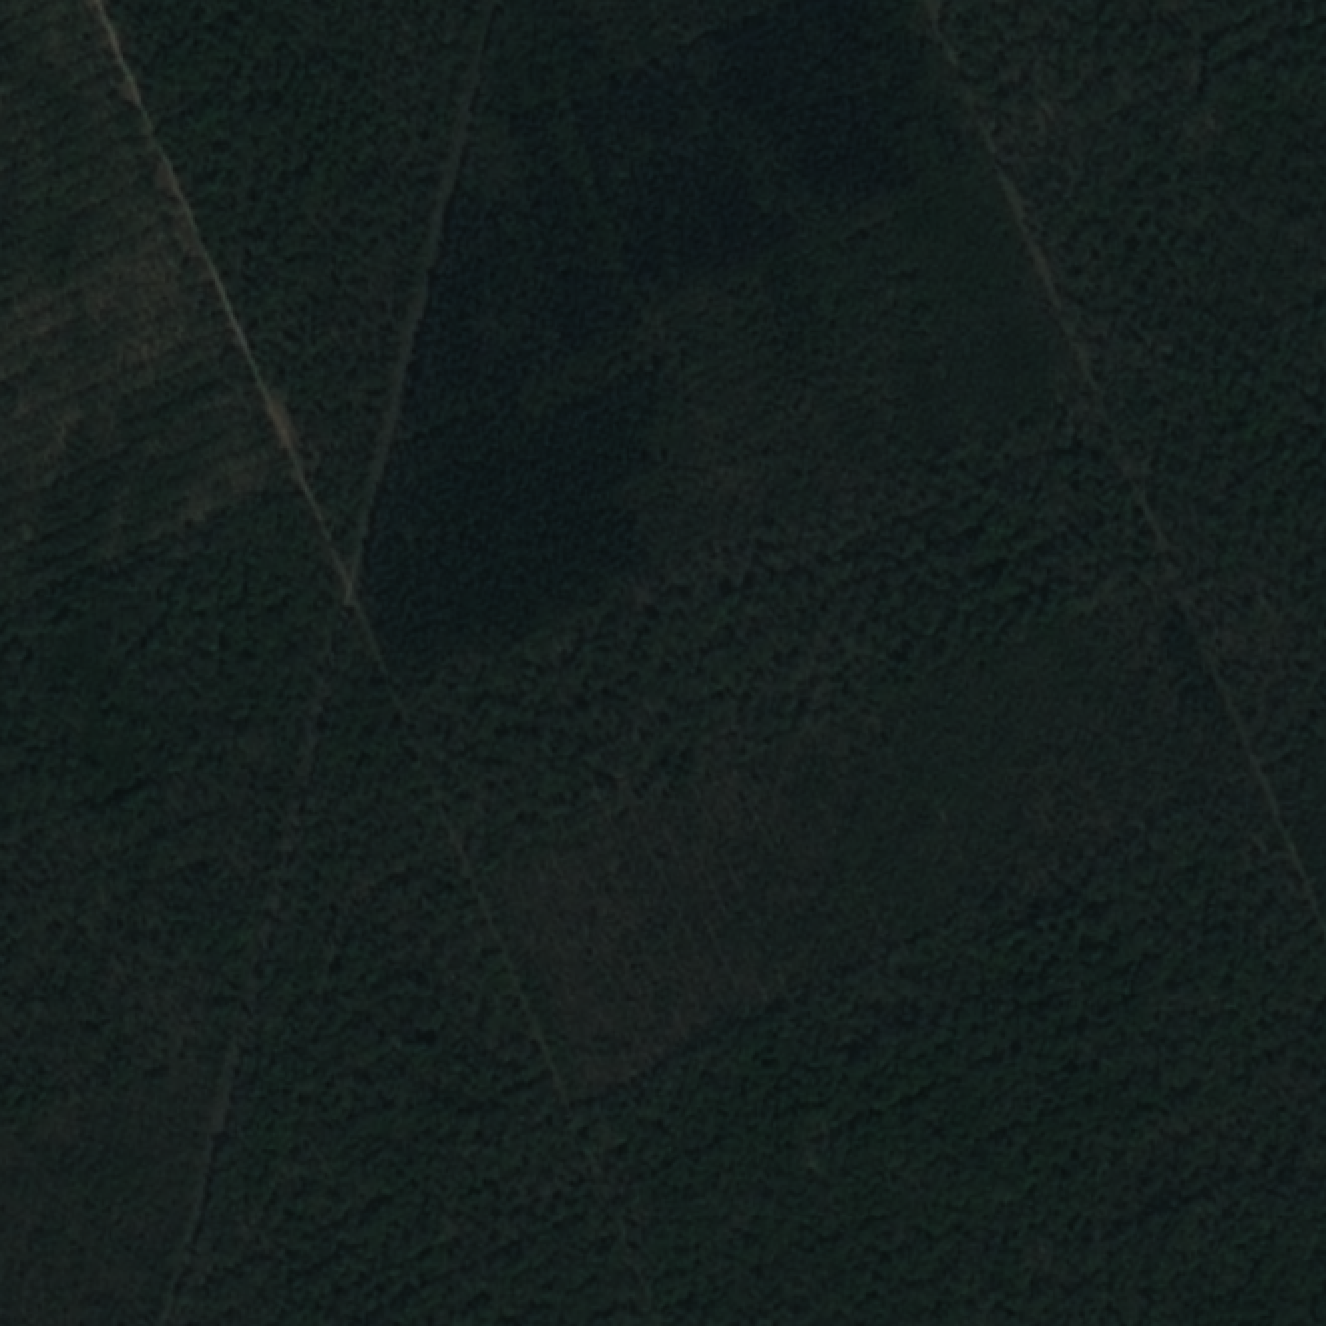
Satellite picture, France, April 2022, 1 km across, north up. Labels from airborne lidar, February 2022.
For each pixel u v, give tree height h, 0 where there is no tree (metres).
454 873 13
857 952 9
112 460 7
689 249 18
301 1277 15
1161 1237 18
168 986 17
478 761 17
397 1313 18
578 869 11
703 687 16
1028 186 6
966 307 11
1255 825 10
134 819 20
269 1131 15
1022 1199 14
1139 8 15
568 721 16
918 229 13
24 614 12
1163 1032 16
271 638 17
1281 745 11
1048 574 21
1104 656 9
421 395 14
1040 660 10
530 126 13
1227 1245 19
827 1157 17
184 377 13
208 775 17
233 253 13
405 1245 15
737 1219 21
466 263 15
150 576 19
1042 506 19
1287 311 13
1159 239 13
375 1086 16
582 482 19
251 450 14
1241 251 8
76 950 17
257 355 11
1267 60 20
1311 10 15
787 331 15
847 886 12
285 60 17
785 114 17
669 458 11
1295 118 11
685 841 10
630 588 13
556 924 10
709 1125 17
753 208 17
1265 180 14
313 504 14
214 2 16
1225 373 18
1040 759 9
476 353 18
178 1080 11
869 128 19
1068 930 17
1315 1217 19
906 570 17
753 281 9
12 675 17
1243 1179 15
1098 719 10
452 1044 15
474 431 17
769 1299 17
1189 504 14
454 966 14
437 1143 15
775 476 5
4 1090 14
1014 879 8
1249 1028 14
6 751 18
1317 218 19
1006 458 18
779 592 16
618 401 18
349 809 14
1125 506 15
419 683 14
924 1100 18
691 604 17
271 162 17
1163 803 12
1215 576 12
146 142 12
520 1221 14
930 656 17
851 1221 17
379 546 10
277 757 17
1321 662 9
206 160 12
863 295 7
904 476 8
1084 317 15
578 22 11
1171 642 12
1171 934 18
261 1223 15
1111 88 19
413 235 11
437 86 16
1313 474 13
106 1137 11
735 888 10
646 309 8
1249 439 13
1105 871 17
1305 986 15
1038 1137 18
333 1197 15
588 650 17
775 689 12
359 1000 15
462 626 18
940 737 10
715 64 12
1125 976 17
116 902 17
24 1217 9
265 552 16
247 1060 13
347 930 14
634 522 12
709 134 16
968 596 19
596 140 13
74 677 16
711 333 7
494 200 12
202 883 16
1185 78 17
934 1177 19
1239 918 16
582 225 12
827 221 10
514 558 19
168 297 0
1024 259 6
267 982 15
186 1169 10
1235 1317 16
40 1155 7
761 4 12
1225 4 19
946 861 11
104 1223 8
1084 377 11
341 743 15
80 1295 9
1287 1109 13
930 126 13
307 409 13
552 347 15
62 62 0
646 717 18
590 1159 15
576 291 19
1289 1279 19
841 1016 14
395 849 14
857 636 18
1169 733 7
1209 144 15
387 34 13
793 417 7
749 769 9
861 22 20
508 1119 13
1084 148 18
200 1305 16
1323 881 7
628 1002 9
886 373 8
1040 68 19
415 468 13
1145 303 11
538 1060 14
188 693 17
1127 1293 16
